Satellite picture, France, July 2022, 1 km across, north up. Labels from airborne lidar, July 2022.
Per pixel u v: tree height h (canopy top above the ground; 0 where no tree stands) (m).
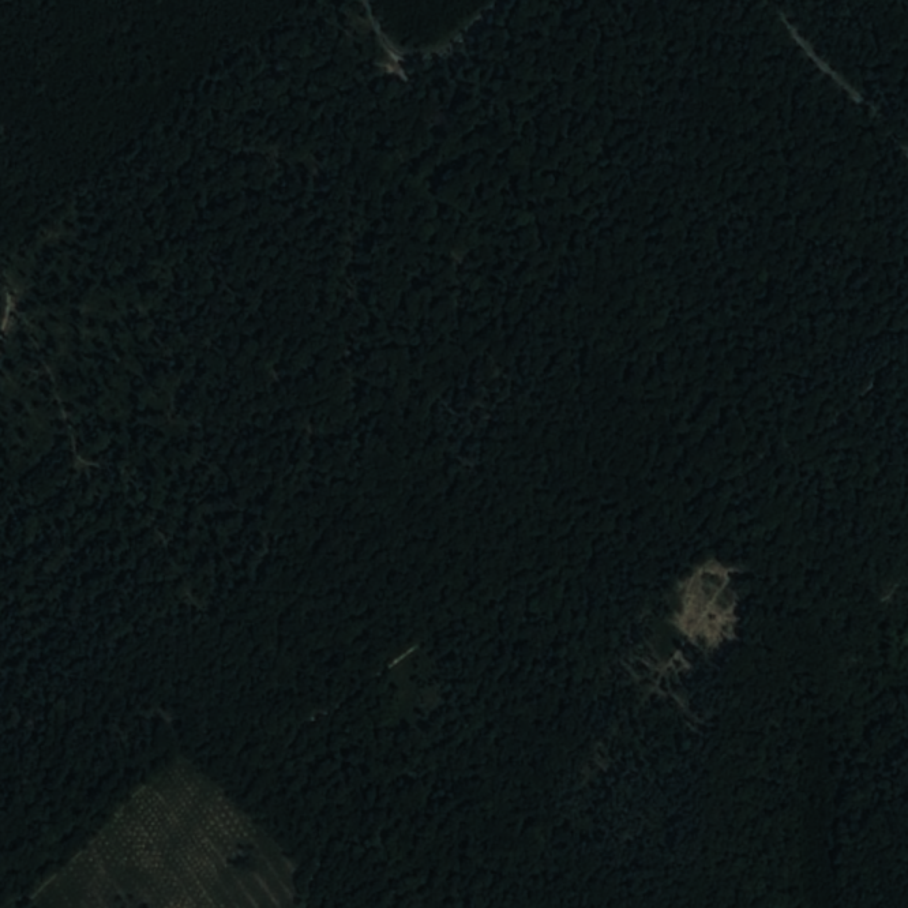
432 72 8
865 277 26
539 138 23
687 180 25
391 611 26
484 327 21
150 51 13
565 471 21
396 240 29
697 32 20
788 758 32
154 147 27
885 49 28
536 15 24
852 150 19
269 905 0
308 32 24
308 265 29
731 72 22
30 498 23
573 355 25
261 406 28
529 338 24
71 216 24
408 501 17
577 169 33
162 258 30
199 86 25
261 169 30
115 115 13
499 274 26
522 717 27
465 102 34
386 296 32
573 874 26
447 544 19
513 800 25
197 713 21
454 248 30
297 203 18
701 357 28
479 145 29
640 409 27
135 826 0
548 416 20
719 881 23
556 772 26
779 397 26
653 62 23
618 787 34
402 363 29
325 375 30
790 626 26
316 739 19
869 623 26
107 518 28
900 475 26
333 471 29
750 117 30
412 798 29
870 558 22
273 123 30
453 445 32
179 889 0
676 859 24
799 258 21
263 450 31
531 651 27
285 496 25
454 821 28
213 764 21
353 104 29
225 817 0
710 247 23
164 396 31
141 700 19
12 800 27
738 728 29
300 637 25
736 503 8
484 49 29
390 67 0
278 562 18
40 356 24
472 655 26
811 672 28
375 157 32
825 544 23
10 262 19
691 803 26
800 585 28
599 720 37
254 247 29
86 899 0
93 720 25
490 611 21
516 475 19
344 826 21
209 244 30
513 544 18
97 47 13
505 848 28
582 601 34
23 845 25
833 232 31
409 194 34
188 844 0
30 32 16
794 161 26
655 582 30
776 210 26
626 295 27
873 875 20
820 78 25
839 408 23
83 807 14
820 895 11
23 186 13
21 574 24
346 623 26
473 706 25
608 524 27
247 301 24
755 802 27
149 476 24
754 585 28
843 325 25
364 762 27
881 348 25
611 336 26
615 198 25
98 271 25
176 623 19
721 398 24
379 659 21
